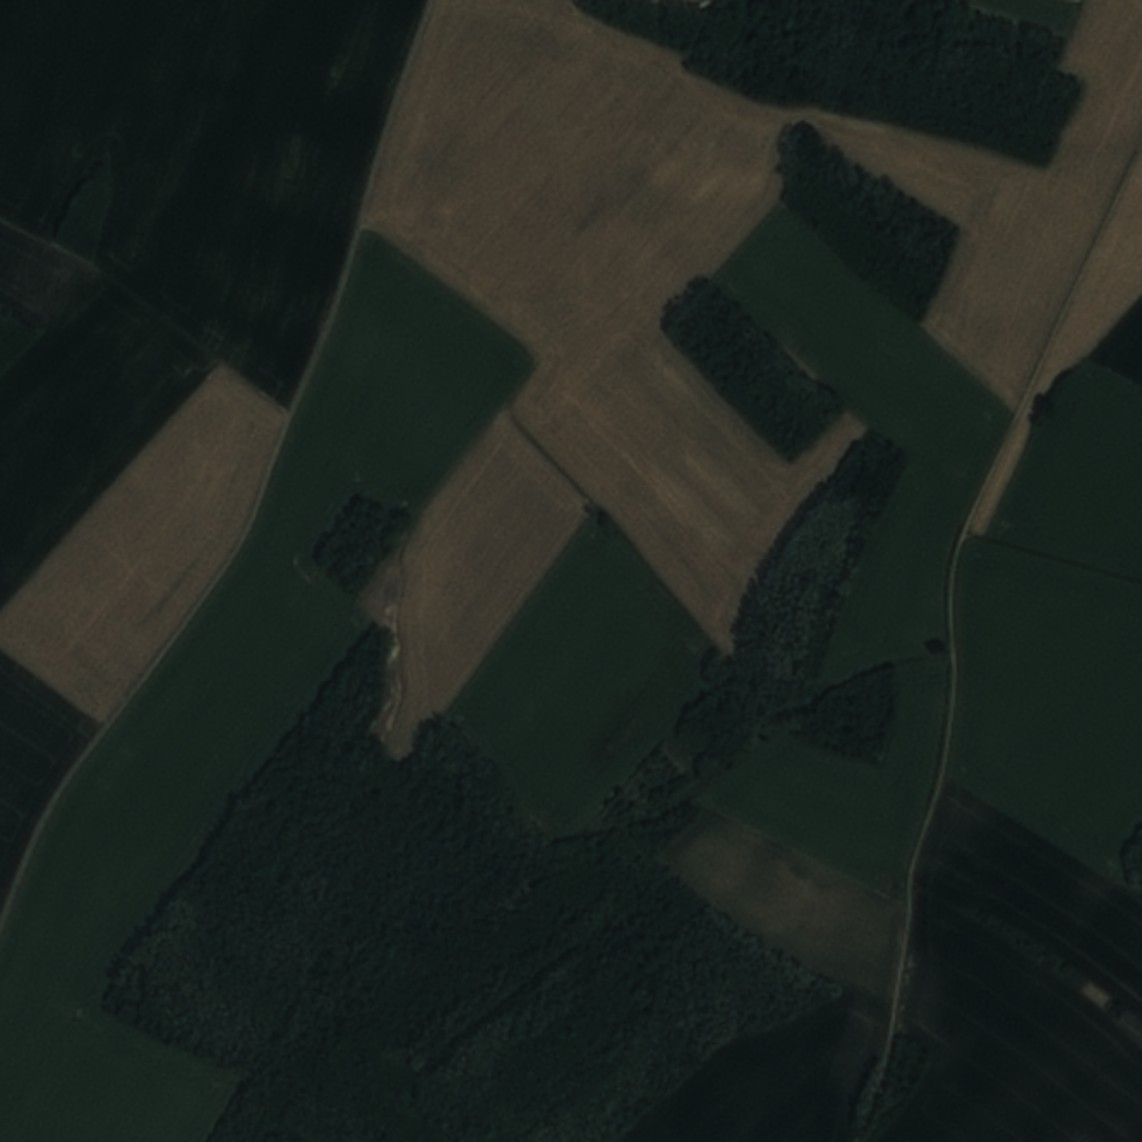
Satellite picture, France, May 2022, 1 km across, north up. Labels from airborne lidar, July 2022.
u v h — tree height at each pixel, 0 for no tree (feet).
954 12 59
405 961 34
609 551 0
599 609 0
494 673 0
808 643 49
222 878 51
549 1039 34
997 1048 0
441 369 0
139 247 0
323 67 0
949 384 0
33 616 0
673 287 0
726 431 0
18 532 0
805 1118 0
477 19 0
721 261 0
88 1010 0
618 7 55
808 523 62
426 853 34
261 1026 54
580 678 0
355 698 67
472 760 60
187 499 0
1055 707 0
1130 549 0
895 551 0
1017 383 0
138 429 0
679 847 0
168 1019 52
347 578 56
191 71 0
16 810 0
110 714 0
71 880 0
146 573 0
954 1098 0
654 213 0
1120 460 0
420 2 0
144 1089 0
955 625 0
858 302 0
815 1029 0
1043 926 0
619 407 0
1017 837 0
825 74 48
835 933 0
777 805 0
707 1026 65
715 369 47
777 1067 0
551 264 0
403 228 0
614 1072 57
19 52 0
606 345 0
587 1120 59
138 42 0
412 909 43
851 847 0
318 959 50
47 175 0
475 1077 48
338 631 0
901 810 0
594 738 0
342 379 0
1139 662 0
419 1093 61
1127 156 0
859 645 0
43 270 0
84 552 0
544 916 27
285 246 0
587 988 35
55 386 0
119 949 0
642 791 26
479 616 0
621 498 0
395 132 0
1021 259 0
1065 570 0
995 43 46
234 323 0
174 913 61
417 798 46
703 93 0
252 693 0
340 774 59
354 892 40
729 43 67
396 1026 41
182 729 0
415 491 0
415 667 0
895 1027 0
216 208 0
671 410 0
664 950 46
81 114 0
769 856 0
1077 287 0
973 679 0
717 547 0
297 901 50
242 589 0
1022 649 0
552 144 0
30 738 0
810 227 22
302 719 43
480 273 0
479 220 0
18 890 0
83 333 0
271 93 0
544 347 0
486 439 0
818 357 0
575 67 0
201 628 0
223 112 0
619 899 24
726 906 0
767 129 0
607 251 0
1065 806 0
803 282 0
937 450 0
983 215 0
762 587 46
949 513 0
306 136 0
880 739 38
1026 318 0
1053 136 52
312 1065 41
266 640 0
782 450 40
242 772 0
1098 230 0
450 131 0
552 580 0
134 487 0
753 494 0
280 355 0
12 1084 0
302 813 35
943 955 0
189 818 0
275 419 0
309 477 0
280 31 0
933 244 52
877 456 21
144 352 0
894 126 29
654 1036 68
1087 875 0
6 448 0
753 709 59
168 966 67
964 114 53
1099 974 0
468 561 0
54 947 0
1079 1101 0
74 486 0
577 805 0
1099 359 0
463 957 36
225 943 42
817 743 22
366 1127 31
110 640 0
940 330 0
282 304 0
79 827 0
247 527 0
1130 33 0
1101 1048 0
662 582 0
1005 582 0
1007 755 0
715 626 0
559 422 0
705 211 0
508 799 66
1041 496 0
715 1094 0
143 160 0
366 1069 46
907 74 59
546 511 0
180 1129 0
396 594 0
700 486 0
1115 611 0
